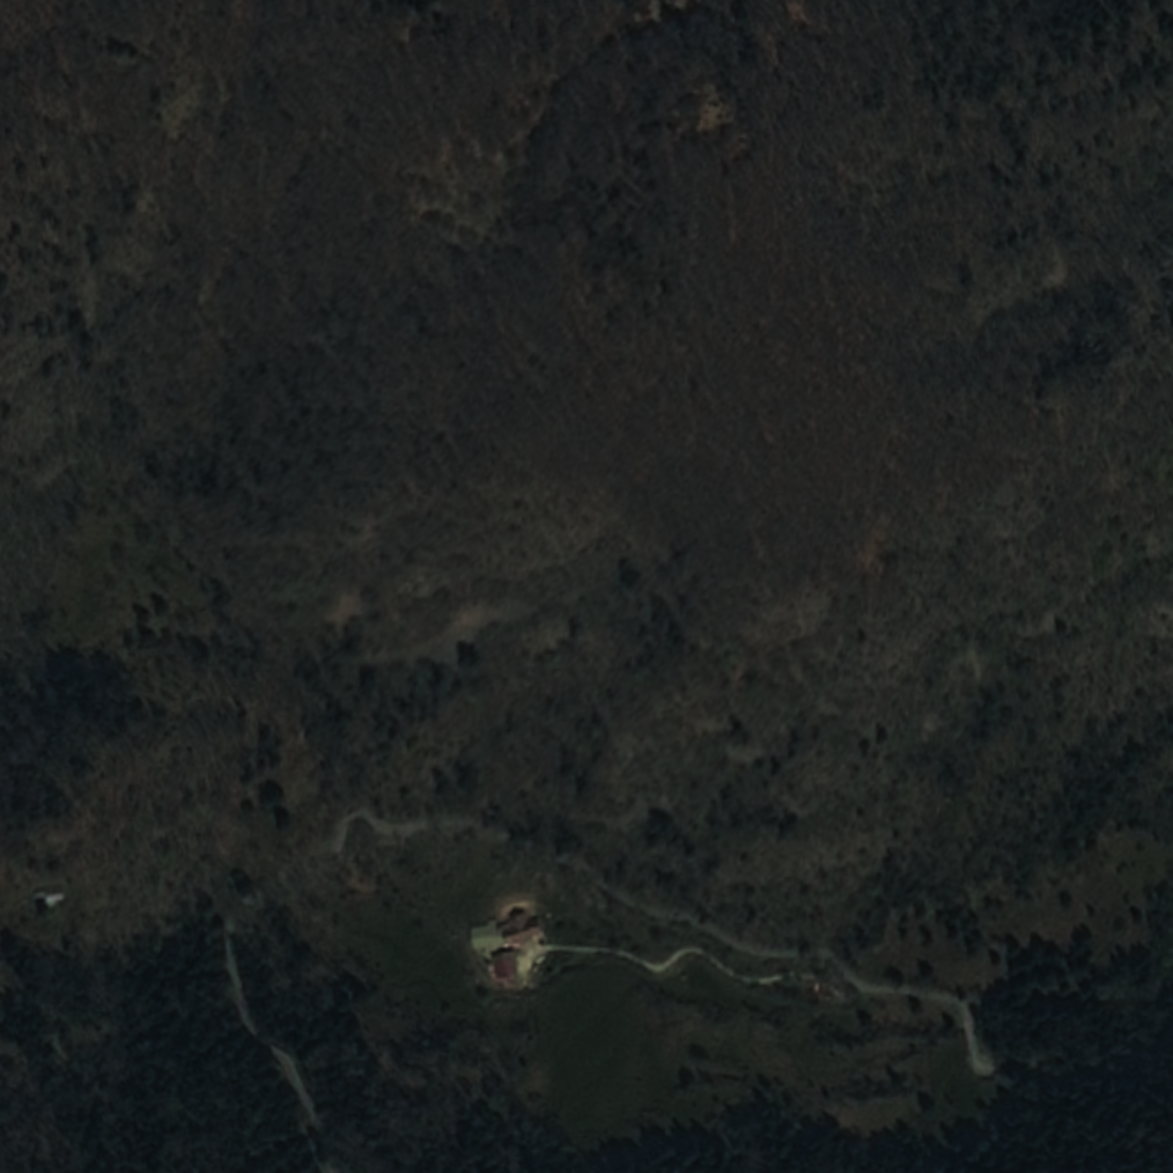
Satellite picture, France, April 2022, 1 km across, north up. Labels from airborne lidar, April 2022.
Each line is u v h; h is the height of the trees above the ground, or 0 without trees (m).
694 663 15
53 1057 22
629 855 8
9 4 30
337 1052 27
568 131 18
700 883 22
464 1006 0
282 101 22
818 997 7
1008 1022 22
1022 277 25
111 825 24
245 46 19
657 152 12
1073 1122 33
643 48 13
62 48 19
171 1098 28
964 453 27
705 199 16
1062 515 33
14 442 19
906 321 24
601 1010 0
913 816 13
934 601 21
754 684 24
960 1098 0
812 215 21
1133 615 26
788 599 11
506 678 21
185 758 14
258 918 21
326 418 20
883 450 23
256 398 18
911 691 24
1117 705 14
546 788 20
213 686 11
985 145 23
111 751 13
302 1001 22
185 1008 26
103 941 21
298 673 29
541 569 17
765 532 8
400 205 11
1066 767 22
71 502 22
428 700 18
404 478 15
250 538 19
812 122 23
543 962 0
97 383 24
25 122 24
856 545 30
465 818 22
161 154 16
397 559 24
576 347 20
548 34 20
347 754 27
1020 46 25
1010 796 17
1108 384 18
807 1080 0
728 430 23
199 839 19
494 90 16
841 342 25
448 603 30
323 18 15
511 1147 29
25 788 22
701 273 14
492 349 28
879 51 27
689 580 10
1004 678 17
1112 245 27
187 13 16
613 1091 0
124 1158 29
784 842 16
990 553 26
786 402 17
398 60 15
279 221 11
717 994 0
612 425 26
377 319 25
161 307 27
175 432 18
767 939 15
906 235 25
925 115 15
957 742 20
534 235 15
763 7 19
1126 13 16
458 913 0
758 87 11
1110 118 19
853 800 15
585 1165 13
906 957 0
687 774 21
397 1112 25
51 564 24
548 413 22
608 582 18
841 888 16
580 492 15
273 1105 23
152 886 17
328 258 20
